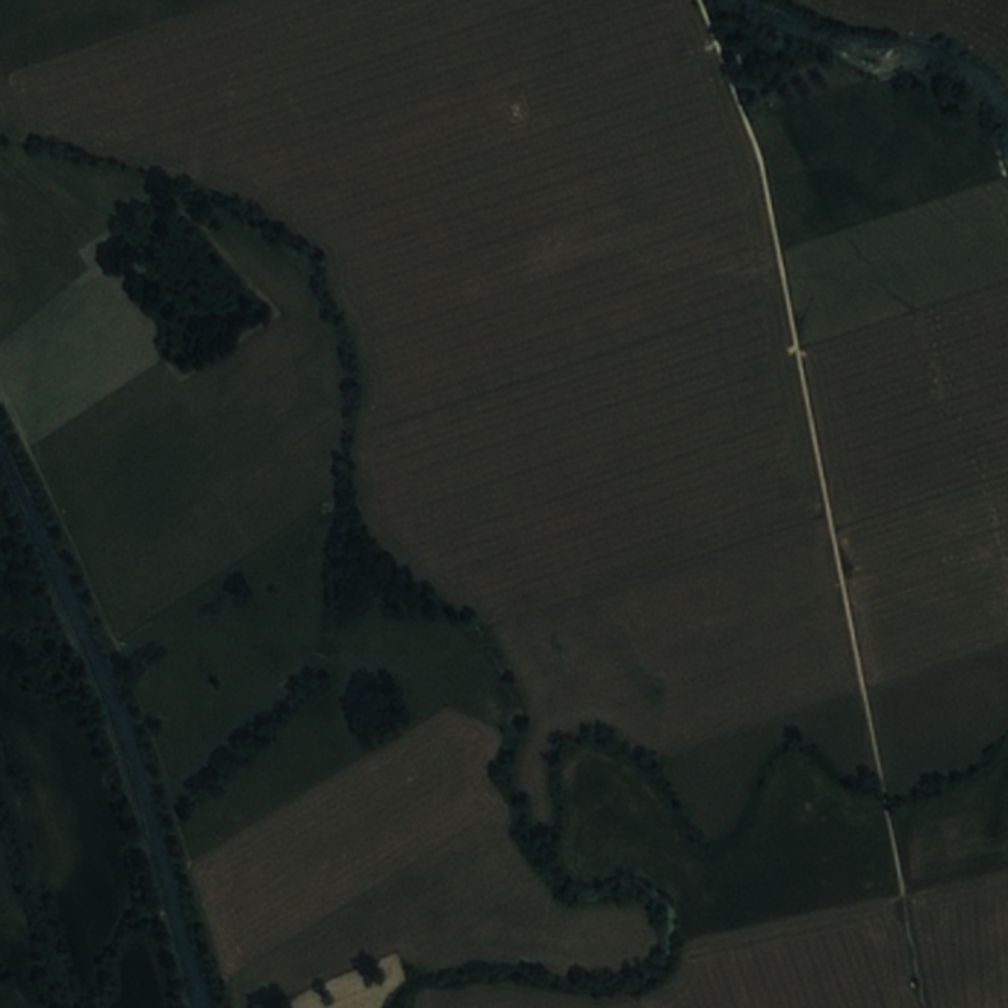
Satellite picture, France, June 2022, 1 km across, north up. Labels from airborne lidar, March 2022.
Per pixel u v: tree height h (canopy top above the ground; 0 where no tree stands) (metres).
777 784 0
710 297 0
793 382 0
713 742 0
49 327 0
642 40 0
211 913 0
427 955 0
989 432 0
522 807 14
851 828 0
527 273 0
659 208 0
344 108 0
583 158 0
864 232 0
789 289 0
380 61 0
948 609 0
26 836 0
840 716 0
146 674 0
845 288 0
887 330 0
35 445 0
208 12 0
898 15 0
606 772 0
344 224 0
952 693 0
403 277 0
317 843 0
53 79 0
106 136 0
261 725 14
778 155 0
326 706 0
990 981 0
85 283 0
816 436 0
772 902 0
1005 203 0
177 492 0
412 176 0
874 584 0
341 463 16
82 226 0
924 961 0
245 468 0
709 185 0
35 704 0
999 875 0
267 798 0
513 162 0
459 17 0
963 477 0
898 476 0
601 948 0
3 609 0
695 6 0
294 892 0
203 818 0
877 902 0
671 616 0
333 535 7
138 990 0
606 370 0
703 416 0
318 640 0
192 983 0
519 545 0
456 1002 0
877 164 0
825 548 0
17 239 0
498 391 0
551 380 0
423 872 0
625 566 0
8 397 0
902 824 0
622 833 0
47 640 0
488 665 0
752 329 0
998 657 0
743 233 0
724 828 0
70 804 0
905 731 0
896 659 0
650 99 0
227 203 18
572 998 0
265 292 0
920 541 0
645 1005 0
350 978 0
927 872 0
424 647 0
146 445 0
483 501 0
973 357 0
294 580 0
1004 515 0
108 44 0
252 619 0
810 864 0
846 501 0
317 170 0
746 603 0
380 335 0
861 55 0
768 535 0
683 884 0
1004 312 0
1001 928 0
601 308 0
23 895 6
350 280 0
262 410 0
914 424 0
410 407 0
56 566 0
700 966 0
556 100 0
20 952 0
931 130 0
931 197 0
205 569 0
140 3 0
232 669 0
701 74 0
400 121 0
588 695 0
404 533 0
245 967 0
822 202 0
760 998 0
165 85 0
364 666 0
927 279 0
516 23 0
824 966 0
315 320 0
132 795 0
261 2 0
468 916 0
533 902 0
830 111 0
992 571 0
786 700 0
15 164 0
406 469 0
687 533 0
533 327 0
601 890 16
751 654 0
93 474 0
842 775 0
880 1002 0
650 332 0
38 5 0
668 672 0
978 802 0
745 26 15
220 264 20
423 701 0
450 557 0
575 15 0
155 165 0
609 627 0
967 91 19
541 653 0
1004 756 0
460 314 0
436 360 0
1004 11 0
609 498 0
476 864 0
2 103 0
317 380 0
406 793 0
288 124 0
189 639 0
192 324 7
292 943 0
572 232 0
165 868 0
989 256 0
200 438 0
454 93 0
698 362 0
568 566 0
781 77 0
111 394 0
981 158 0
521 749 0
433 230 0
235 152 0
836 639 0
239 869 0
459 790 0
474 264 0
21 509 0
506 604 0
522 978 12
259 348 0
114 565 0
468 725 0
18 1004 0
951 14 0
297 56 0
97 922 0
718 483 0
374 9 0
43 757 0
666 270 0
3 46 0
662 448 0
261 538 0
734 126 0
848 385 0
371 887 0
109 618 0
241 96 0
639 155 0
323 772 0
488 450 0
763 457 0
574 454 0
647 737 0
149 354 0
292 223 0
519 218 0
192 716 0
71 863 0
